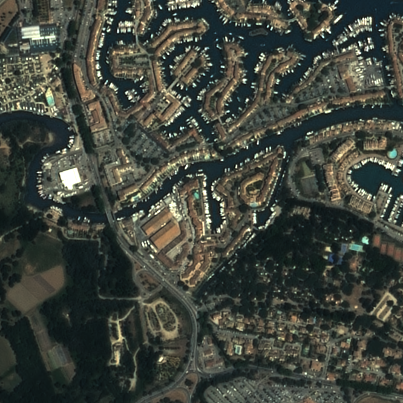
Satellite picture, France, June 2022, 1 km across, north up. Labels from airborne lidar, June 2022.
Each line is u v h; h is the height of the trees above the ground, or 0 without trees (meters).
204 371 0
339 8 0
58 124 0
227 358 7
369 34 0
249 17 0
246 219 0
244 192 0
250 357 8
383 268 15
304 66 0
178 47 0
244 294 11
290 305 21
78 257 11
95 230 11
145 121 0
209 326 7
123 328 6
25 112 0
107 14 0
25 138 7
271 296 19
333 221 13
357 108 0
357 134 12
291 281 14
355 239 12
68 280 0
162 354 10
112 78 0
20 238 9
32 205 0
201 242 0
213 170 0
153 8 6
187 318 0
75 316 13
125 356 11
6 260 10
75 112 16
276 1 0
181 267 0
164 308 0
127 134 10
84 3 6
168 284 0
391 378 12
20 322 13
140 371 6
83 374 15
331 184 0
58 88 11
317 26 9
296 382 18
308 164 12
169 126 0
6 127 12
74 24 20
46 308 21
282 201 11
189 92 0
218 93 13
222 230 0
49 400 17
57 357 0
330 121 0
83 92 0
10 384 0
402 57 0
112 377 14
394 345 11
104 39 0
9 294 0
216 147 17
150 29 0
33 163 0
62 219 9
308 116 6
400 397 0
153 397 0
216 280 14
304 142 12
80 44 0
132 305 11
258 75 11
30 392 11
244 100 0
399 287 12
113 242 15
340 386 16
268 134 14
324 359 13
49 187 0
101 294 9
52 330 11
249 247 13
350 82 0
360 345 0
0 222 13
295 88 10
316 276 16
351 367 0
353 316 24
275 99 11
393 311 10
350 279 14
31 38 0
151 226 0
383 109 0
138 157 11
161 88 0
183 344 0
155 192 0
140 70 0
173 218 0
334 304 11
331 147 10
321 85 0
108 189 10
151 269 0
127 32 0
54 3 0
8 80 14
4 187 10
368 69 0
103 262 17
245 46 0
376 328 21
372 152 0
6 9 0
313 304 22
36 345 12
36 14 20
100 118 0
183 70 5
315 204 10
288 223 18
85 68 0
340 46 0
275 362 8
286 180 12
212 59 0
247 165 10
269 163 6
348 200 15
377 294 13
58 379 0
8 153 0
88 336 16
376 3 0
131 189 0
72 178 0
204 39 0
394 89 10
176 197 0
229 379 9
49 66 0
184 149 9
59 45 7
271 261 14
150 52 12
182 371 14
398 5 0
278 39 0
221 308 18
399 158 0
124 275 13
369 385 18
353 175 0
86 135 21
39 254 0
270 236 26
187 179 15
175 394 0
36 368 16
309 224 24
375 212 9
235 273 15
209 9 0
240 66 12
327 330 12
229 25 0
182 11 0
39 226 14
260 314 11
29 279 0
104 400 0
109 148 0
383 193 0
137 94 0
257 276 14
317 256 16
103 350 13
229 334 0
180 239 0
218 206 0
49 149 0
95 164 0
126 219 9
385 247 0
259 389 0
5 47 0
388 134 13
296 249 18
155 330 0
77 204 9
